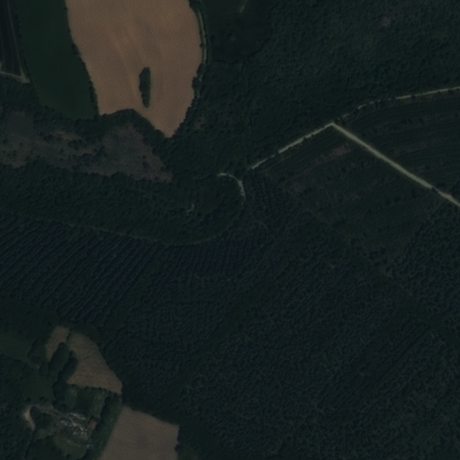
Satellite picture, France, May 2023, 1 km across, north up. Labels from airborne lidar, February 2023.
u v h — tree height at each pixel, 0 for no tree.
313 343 15
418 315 18
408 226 6
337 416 21
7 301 21
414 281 12
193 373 16
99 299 11
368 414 15
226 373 18
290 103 17
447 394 16
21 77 0
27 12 0
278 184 10
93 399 0
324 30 10
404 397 15
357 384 21
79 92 0
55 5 0
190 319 22
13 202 23
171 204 6
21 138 0
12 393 7
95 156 7
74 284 21
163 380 20
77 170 20
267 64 11
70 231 19
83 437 0
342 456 20
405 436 15
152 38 0
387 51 13
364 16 8
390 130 19
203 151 14
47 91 0
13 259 21
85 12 0
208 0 0
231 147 18
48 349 0
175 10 0
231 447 14
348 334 16
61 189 17
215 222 23
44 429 14
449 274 17
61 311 22
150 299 23
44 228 20
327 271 19
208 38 10
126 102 0
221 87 13
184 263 21
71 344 0
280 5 7
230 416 17
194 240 15
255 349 26
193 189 12
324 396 16
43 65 0
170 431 0
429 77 17
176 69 0
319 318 22
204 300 22
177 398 15
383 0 10
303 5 16
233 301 21
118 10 0
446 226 25
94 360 0
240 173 19
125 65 0
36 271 22
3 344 0
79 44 0
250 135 14
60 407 13
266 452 21
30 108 13
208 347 19
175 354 22
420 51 22
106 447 0
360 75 16
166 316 19
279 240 18
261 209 16
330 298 17
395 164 0
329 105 16
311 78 9
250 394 13
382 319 21
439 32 8
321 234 17
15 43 0
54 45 0
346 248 20
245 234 21
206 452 18
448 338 17
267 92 19
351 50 17
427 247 13
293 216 22
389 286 16
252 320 25
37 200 22
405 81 21
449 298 22
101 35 0
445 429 20
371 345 15
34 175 19
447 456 16
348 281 18
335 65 10
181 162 20
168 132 0
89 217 21
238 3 0
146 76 11
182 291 19
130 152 0
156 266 16
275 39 7
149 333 23
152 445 0
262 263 22
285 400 25
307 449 17
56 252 23
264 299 17
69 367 17
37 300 21
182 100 0
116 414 0
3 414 14
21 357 0
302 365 26
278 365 18
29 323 21
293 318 16
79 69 0
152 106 0
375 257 15
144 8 0
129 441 0
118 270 21
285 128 20
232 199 24
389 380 14
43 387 0
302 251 22
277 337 19
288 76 15
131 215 19
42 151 0
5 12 0
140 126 17
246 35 0
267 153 18
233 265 20
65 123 11
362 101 18
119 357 17
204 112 6
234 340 28
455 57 25
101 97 0
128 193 23
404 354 23
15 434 16
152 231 18
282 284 24
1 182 20
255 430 15
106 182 21
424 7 7
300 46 11
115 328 19
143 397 22
